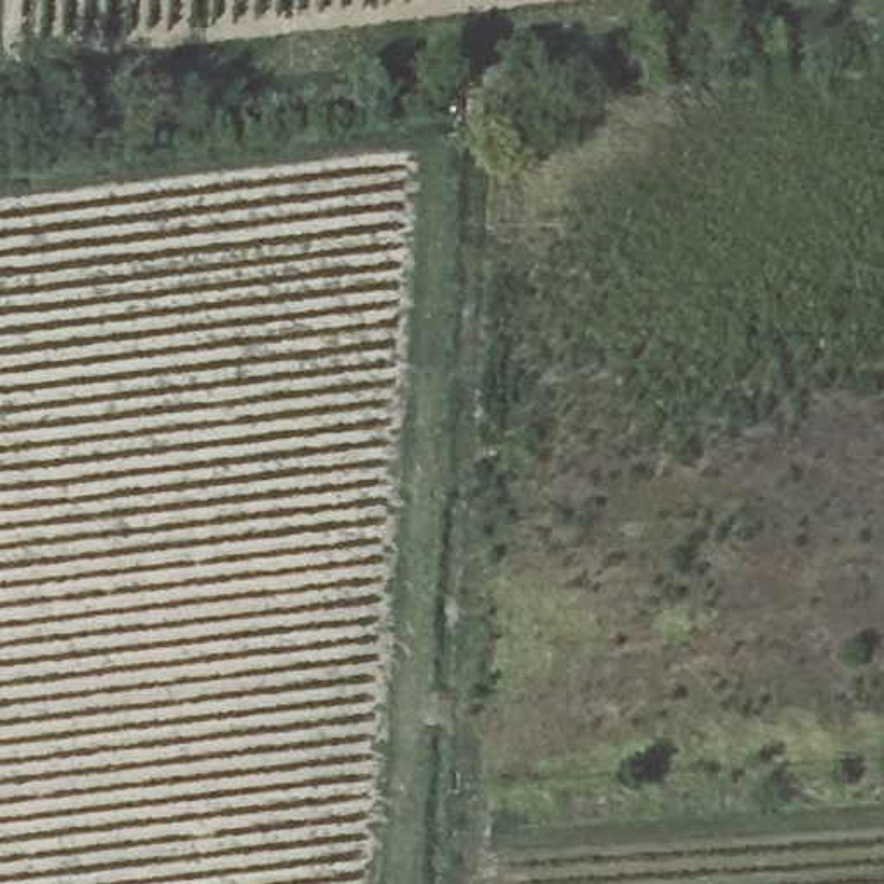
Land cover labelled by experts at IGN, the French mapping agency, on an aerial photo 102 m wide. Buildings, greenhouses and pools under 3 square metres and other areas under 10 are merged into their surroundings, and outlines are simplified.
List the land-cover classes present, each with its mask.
<instances>
[{"label":"vineyard","instance_id":"1","mask_svg":"<svg viewBox=\"0 0 884 884\"><path fill-rule=\"evenodd\" d=\"M121 3H138V24L128 31L131 45L148 41L152 48H173L180 41L242 38L252 48L256 69H269L276 76L318 69L349 76V62L356 52H369L373 59H380L383 48L397 38L418 35L425 38V45L439 48L445 35L459 45L463 17L470 10L494 7H501L511 17V28L584 24L587 35H608L611 28H618V10L635 7L639 0H0V104L7 90L17 83V76L55 69V62L76 48V38L66 31L69 14L111 10L121 17ZM853 14L867 24V45L860 69H877L884 76V0H860ZM414 159L411 152H356L307 162L214 169L135 183H100L52 193L0 197V884H383L394 874V863H383L373 853L376 839H363L369 825L363 822V811L376 808V784L359 780L304 787V780L332 774H380V763L311 767V760L369 753L387 739L383 701L394 656L390 608L363 604L280 615V608L383 594L387 587L369 584V577H390L397 566L394 528L369 525V518H376V508H387V494H394L390 487H376V480L387 477V470H380V459L397 456V432L404 421V401L397 390H387V380L407 373V273L414 266L411 231L418 193ZM490 884H884V836L877 829H822L577 846L532 843L525 849H497V877Z\"/></svg>","mask_w":884,"mask_h":884},{"label":"herbaceous vegetation","instance_id":"2","mask_svg":"<svg viewBox=\"0 0 884 884\"><path fill-rule=\"evenodd\" d=\"M701 0H653L649 10L670 21H687ZM722 14L756 10L784 21L787 48V66L805 62V17L791 0H704ZM860 0H836L829 24L843 31V41L867 45V24L853 14ZM138 24V3H121V17L111 10L69 14L66 31L76 38V48L55 62V69L66 73L69 83L83 79V86L93 97V111L86 114L83 135V145L90 148H97V142L107 131L121 128V111L107 86L111 76L124 69L138 79H152L159 86V93H152L159 117L152 131L142 135V152L169 148L176 131L183 138H204L214 124H228L231 135H245V124L259 117L307 114L321 107L352 111L356 104L349 76L318 69L276 76L269 69H256L252 48L242 38L180 41L173 48H152L148 41L131 45L128 31ZM539 38L549 62L570 66L577 45L587 35L584 24L511 28V17L501 7H494L470 10L463 17L459 45V52L470 62L466 73L480 83V76L490 66H497V41ZM425 45V38L418 35L397 38L383 48L380 59L387 79L397 90L411 93L418 79L414 59ZM608 121L597 128L590 142L553 152L532 173L521 169L508 180H487V231L504 245H521L528 252V269L542 273L546 249L556 238H566V221H542L539 211L570 204L573 183L587 169H611V162L649 155L653 128L673 124L670 93L611 97L601 104ZM466 135L449 131L439 135L414 159L418 193L411 231L414 266L407 273V373L387 380V390H397L404 401V421L397 432V456L380 459V470H387V477L376 480V487H390L394 494H387V508H376V518H369V525L394 528L397 566L390 577H369V584L387 587L383 594L280 608V615L363 604L390 608L394 656L383 701L387 739L369 753L311 760V767L380 763V774H332L304 780V787L359 780L376 784V808L363 811V822L369 825L363 839H376L373 853L383 863H394V874L383 884H490L497 877V849H525L532 843L577 846L822 829H877L884 836V394L874 401L856 397L849 390L815 394L811 407L798 411L791 425L794 439L787 445L770 435L774 425L760 421L746 425V432L729 428L725 442L701 445V456L711 463L708 477L732 483L739 508H763V532L756 539L704 542L698 556L708 563V570L687 577V597L680 604H670L639 566H608L597 546H580L577 528L563 525V518L556 515L559 504L587 501L590 480L563 477L559 466L563 459L584 452L587 442L573 435L570 414H559L556 421L539 418L532 425V452L539 459L532 466L539 470V480L508 483L511 497L518 501V525L511 542L504 546L508 556L501 559L494 594L501 639L490 666L501 673L497 687L487 698L483 715L470 711L466 698L442 701L432 691V604L439 584V525L445 501L439 466H449V432L442 425L449 418V387L459 380L466 397L473 401V414L483 421L490 300L497 283L494 259L473 256V245L456 238L459 176L449 169V159L456 152H466Z\"/></svg>","mask_w":884,"mask_h":884},{"label":"brushwood","instance_id":"3","mask_svg":"<svg viewBox=\"0 0 884 884\"><path fill-rule=\"evenodd\" d=\"M805 17V62L787 66V48L770 52L774 66L756 62L749 76H729V90H715L711 83H670V93L673 124L653 128L649 155L611 162V169H587L573 183L570 204L539 211L542 221H566V238H556L546 249L542 273L528 269V252L521 245H504L487 231V180L466 152H456L449 159V169L459 176L456 238L473 245V256L494 259L497 283L490 300L483 421L473 414V401L466 397L459 380L449 387V418L442 425L449 432V466H439L445 501L439 525V584L432 604V691L442 701L466 698L470 711L483 715L487 698L497 687L501 673L490 666L501 639L494 594L501 559L508 556L504 546L511 542L518 525V501L511 497L508 483L539 480V470L532 466L539 459L532 452V425L539 418L556 421L559 414H570L573 435L587 442L584 452L563 459L559 466L563 477L590 480L587 501L559 504L556 515L563 518V525L577 528L580 546H597L608 566H639L670 604H680L687 597V577L708 570V563L698 556L704 542L756 539L763 532V508H739L732 483L708 477L711 463L701 456V445L725 442L729 428L746 432V425L760 421L774 425L770 435L787 445L794 439L791 425L798 411L811 407L815 394L849 390L856 397L874 401L884 394V76L877 69H860L867 45L843 41V31L829 24L836 0H791Z\"/></svg>","mask_w":884,"mask_h":884},{"label":"deciduous trees","instance_id":"4","mask_svg":"<svg viewBox=\"0 0 884 884\"><path fill-rule=\"evenodd\" d=\"M653 0H639L635 7L618 10V28H611L608 35H587L577 45L570 66L549 62L539 38L497 41V66H490L480 76V83L466 73L470 62L459 52V45L445 35L439 48L425 45L414 59L418 79L411 93L397 90L387 79L380 59H373L369 52H356L349 62V76L356 104L352 111L321 107L307 114L259 117L245 124V135H231L228 124H214L204 138H183L176 131L169 148L142 152V135L152 131L159 117L152 93H159V86L152 79H138L124 69L111 76L107 86L121 111V128L107 131L97 142V148H90L83 145V135L86 114L93 111V97L83 86V79L69 83L66 73L55 69L17 76V83L7 90L0 104V197L52 193L100 183H135L214 169L307 162L356 152H411L414 159L439 135L449 131L466 135V152L487 180H508L521 169L532 173L553 152L590 142L597 128L608 121L601 104L611 97L670 93V83H711L715 90H729V76H749L756 62L774 66L770 52L787 48L784 21L756 10L722 14L704 0H701L687 21H670L649 10Z\"/></svg>","mask_w":884,"mask_h":884}]
</instances>
